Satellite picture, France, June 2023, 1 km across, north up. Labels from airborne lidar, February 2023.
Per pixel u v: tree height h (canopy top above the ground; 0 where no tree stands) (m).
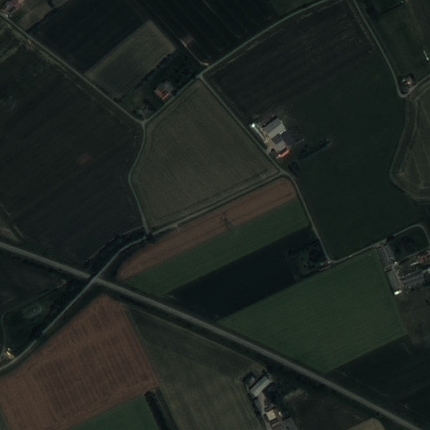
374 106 0
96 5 0
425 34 0
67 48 0
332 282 0
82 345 0
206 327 0
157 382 0
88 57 0
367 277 0
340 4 0
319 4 0
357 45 0
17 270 0
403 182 0
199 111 0
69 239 0
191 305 0
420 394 0
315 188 0
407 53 0
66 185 0
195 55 0
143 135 0
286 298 0
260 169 0
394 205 0
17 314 0
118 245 9
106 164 0
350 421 0
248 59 0
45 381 0
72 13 0
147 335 0
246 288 0
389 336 0
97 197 0
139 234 8
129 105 0
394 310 0
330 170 0
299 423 0
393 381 0
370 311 0
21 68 0
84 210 0
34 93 0
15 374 0
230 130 0
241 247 0
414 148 0
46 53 0
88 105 0
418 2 0
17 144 0
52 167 0
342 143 0
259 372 0
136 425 0
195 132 0
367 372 0
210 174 0
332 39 0
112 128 0
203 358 0
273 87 0
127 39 0
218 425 0
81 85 0
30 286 0
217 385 0
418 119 0
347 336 0
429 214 0
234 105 0
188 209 0
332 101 0
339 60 0
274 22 0
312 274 5
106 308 0
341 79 0
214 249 0
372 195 0
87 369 0
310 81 0
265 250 0
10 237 0
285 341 0
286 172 0
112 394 0
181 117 0
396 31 0
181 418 0
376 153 0
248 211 0
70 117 0
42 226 0
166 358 0
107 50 0
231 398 0
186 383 0
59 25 0
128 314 0
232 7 0
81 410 0
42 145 0
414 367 0
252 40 0
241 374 0
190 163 0
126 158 0
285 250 0
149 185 0
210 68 0
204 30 0
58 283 0
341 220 0
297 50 0
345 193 0
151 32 0
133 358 0
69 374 0
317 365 0
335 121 0
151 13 0
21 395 0
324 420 0
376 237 0
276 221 0
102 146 0
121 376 0
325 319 0
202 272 0
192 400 0
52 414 0
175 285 0
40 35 0
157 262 0
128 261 0
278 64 0
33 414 0
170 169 0
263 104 0
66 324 0
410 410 0
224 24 0
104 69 0
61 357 0
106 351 0
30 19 0
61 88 0
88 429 0
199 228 0
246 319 0
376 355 0
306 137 0
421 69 0
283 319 0
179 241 0
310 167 0
